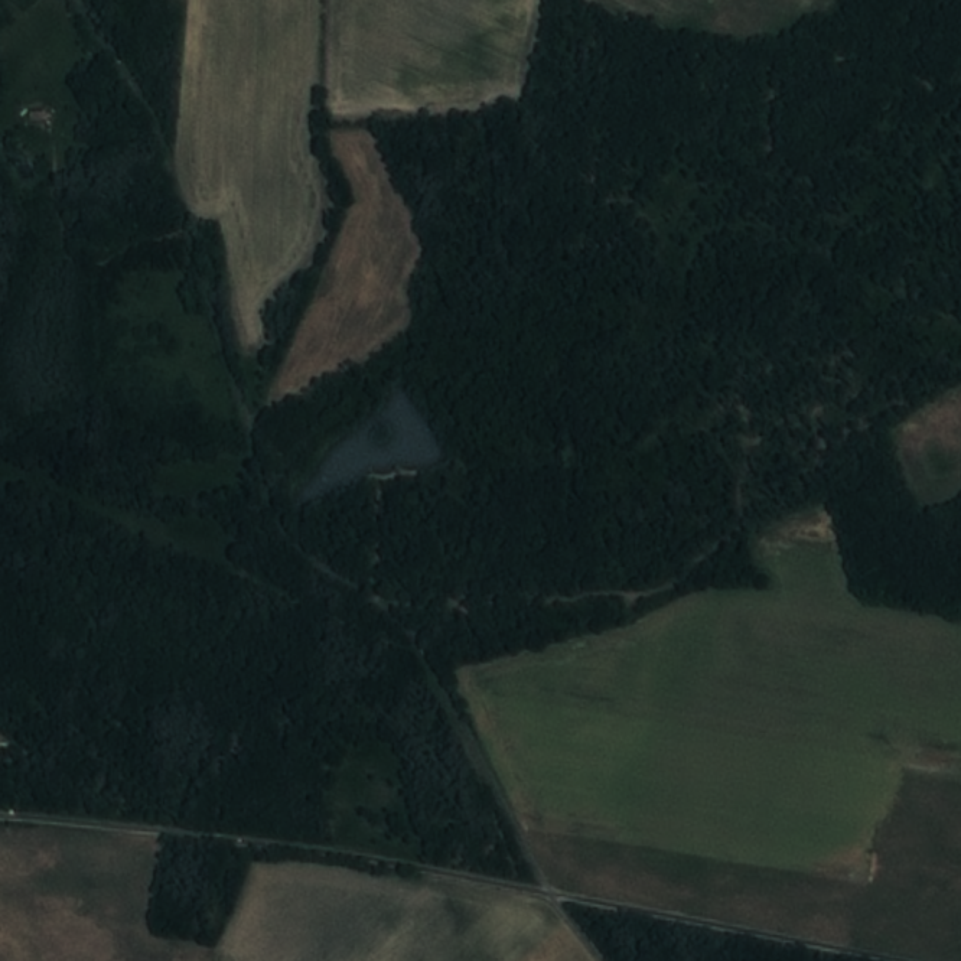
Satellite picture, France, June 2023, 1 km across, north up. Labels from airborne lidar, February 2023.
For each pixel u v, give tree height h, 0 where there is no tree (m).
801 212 20
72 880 0
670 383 19
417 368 16
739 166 21
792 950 18
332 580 20
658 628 0
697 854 0
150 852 0
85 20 16
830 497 17
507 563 18
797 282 7
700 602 0
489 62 0
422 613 16
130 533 19
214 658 19
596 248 10
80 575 20
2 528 20
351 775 0
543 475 20
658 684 0
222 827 16
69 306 11
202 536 0
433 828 19
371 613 16
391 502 22
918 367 9
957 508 17
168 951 0
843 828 0
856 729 0
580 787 0
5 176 20
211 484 0
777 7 0
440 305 6
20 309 9
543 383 13
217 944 8
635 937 21
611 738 0
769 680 0
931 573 23
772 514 17
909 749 0
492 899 0
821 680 0
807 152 13
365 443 0
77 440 29
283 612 19
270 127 0
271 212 0
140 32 11
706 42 18
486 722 0
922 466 0
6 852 0
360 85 0
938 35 17
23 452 24
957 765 0
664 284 23
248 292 0
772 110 16
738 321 22
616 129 21
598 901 0
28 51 0
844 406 13
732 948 19
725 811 0
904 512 20
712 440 26
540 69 14
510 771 0
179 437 10
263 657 19
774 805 0
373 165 0
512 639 22
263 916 0
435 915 0
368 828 0
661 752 0
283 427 7
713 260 20
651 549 10
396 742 13
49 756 20
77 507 16
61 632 17
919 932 0
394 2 0
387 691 20
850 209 23
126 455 21
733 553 20
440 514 23
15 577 22
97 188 18
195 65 0
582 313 24
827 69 18
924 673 0
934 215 25
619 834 0
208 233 15
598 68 15
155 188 21
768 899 0
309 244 0
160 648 17
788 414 20
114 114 19
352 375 18
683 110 23
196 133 0
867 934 0
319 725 24
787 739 0
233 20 0
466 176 9
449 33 0
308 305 18
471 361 10
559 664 0
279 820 17
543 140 19
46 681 18
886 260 22
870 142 21
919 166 22
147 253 9
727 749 0
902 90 16
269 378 16
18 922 0
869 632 0
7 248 21
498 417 13
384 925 0
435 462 0
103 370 7
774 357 19
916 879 0
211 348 0
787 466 28
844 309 8
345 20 0
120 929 0
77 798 18
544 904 0
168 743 26
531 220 17
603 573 6
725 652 0
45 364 10
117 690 23
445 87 0
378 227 0
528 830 0
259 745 18
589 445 21
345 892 0
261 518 14
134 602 16
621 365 17
